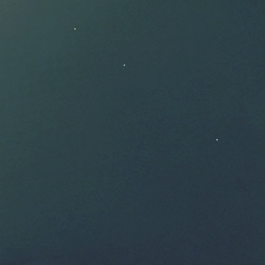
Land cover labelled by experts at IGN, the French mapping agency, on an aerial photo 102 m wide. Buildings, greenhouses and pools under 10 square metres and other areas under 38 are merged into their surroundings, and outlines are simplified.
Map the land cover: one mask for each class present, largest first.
<instances>
[{"label":"water","instance_id":"1","mask_svg":"<svg viewBox=\"0 0 265 265\"><path fill-rule=\"evenodd\" d=\"M0 265H265V0H0Z\"/></svg>","mask_w":265,"mask_h":265}]
</instances>
